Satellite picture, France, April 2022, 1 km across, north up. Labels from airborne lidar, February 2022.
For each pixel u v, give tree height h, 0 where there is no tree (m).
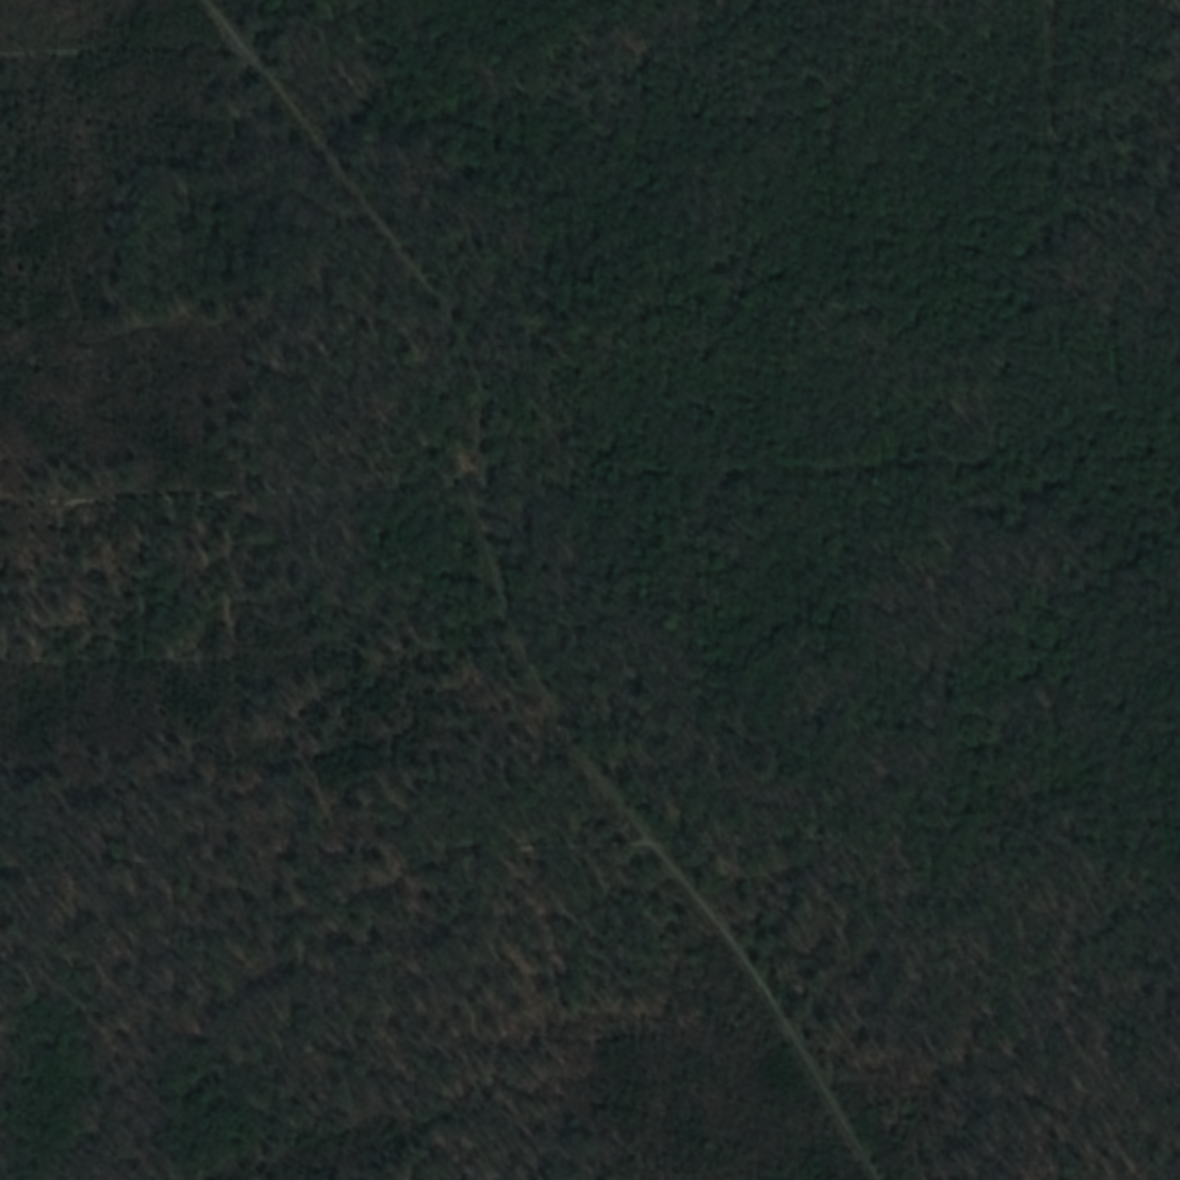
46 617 29
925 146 24
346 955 29
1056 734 27
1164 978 28
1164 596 29
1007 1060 31
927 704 29
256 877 24
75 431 13
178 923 30
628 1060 8
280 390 28
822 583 26
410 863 24
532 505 27
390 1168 21
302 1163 9
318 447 28
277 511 29
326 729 22
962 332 24
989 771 29
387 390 27
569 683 27
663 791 30
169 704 12
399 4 24
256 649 7
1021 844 26
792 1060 6
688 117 21
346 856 0
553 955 25
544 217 27
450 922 26
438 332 26
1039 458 26
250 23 22
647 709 34
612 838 24
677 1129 10
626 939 24
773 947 27
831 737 28
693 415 23
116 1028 29
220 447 25
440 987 27
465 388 23
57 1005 27
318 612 27
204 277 23
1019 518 25
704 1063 12
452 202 32
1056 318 28
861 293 25
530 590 25
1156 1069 30
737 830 26
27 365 11
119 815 28
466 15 21
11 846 26
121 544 11
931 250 23
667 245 25
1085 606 28
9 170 6
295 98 25
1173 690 25
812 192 23
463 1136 30
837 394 24
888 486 25
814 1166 14
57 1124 27
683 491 26
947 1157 11
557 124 24
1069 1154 30
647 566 23
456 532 22
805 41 23
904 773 29
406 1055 27
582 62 24
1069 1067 29
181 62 9
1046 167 22
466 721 28
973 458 26
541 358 28
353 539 26
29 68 6
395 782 25
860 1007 25
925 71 20
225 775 9
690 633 28
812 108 22
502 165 25
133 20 11
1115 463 24
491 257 28
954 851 26
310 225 30
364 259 29
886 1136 8
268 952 27
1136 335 27
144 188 25
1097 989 27
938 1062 34
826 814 25
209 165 26
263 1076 26
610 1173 13
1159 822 27
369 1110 27
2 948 29
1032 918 27
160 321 23
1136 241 28
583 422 24
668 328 25
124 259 25
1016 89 23
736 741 30
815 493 23
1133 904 25
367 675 26
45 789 29
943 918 28
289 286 28
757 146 21
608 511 14
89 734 7
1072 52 21
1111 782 29
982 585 31
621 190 26
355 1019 30
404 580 28
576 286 25
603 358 28
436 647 25
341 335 31
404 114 27
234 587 26
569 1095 15
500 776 25
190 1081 28
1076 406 25
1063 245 29
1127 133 22
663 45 26
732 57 23
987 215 25
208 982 33
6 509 10
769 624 24
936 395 25
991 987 26
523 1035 8
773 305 23
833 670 26
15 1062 29
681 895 9
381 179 30
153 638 23
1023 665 29
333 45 25
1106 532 27
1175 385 26
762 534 25
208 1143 26
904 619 24
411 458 23
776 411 26
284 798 26
